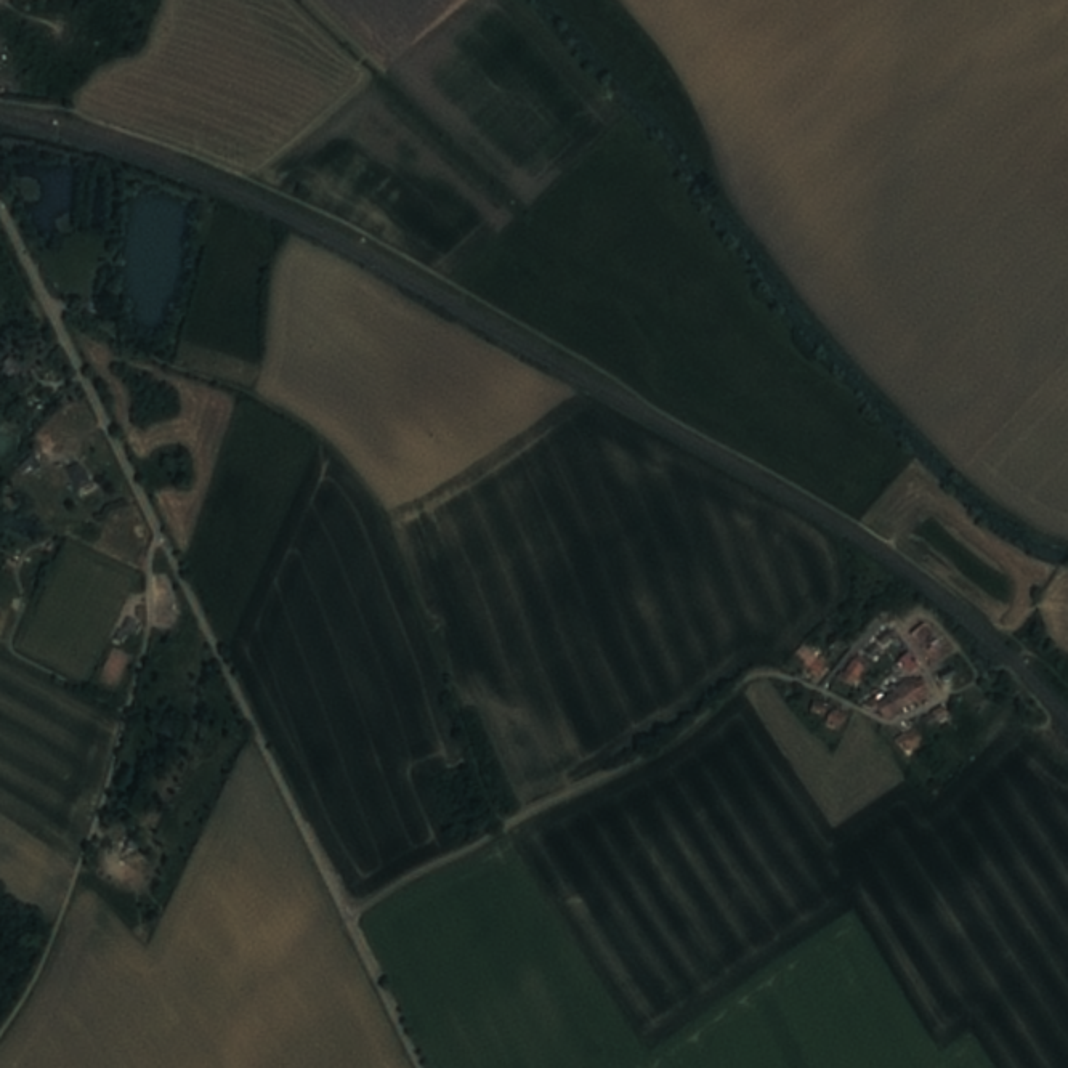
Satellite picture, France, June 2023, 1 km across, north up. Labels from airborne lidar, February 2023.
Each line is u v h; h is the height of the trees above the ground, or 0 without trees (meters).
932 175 0
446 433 0
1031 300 0
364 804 0
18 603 0
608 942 0
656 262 0
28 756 0
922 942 0
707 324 0
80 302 15
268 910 0
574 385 0
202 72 0
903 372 0
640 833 0
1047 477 0
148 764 21
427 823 0
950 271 0
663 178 0
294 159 0
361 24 0
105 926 0
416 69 0
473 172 0
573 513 0
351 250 0
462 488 0
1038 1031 0
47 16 0
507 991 0
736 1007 0
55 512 20
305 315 0
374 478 0
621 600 0
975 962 0
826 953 0
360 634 0
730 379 0
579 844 0
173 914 0
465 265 0
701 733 0
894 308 0
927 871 0
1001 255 0
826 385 0
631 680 0
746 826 0
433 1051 0
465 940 0
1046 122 0
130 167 16
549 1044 0
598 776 0
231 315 0
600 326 0
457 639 0
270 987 0
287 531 0
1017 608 0
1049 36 0
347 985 0
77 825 0
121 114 0
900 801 0
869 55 0
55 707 0
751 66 0
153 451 0
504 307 0
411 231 0
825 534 0
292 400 0
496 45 0
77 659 0
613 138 0
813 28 0
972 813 0
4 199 12
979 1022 0
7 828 0
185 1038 0
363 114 0
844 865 0
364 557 0
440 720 0
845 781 0
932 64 0
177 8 0
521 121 0
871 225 0
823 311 0
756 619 0
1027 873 0
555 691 0
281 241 6
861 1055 0
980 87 0
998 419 0
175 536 0
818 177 0
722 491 0
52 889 0
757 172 0
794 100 0
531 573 0
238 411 0
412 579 0
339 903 0
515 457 0
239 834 0
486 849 0
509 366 0
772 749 0
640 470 0
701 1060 0
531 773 0
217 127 0
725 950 0
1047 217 0
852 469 0
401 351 0
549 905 0
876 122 0
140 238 0
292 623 0
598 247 0
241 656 0
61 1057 0
